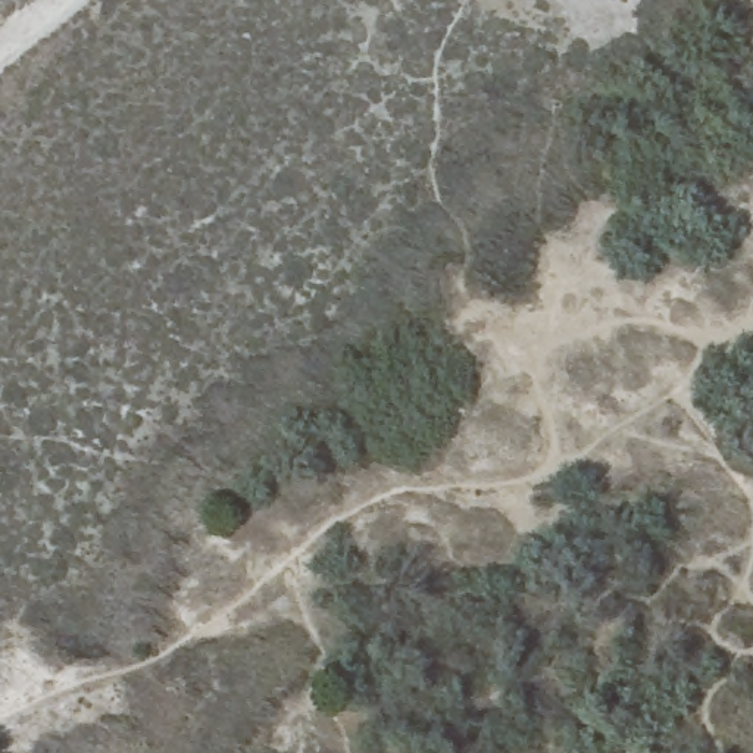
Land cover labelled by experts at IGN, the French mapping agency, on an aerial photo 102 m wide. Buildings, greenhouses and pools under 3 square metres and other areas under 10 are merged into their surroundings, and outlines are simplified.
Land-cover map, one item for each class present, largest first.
<instances>
[{"label":"herbaceous vegetation","instance_id":"1","mask_svg":"<svg viewBox=\"0 0 753 753\"><path fill-rule=\"evenodd\" d=\"M600 62L597 47H588V41L577 38L565 18L544 21L541 29H529L524 24L497 18L494 12H479L477 0H88L50 35L38 38L29 50H24L18 62H0V627L6 621H21L24 627H29L32 653L56 671H65L76 662L126 665L153 656L182 627V621L174 612V594L188 577L179 559L182 550L191 544V535L171 527V515L188 509L200 512L203 500L212 491L229 488L238 477L250 474V456L259 453L262 424L276 421V400L285 406L318 403L321 391L332 385L329 359L341 362L344 344H359L365 329H377V335L382 338L391 335L388 315L400 303H406L409 312H418L427 303L438 321H444L453 329L456 312L479 300L468 288L465 274L474 268L471 235L488 224L491 209L503 200H521V209L544 206V185H556L562 191L579 179L574 165V147L568 144V124L559 115V106L565 103V97L574 94L594 97V88L600 82L594 79V68ZM706 12V0H641L635 6L638 24L647 21L659 29L662 38H671L677 12ZM729 206L747 209L753 221V174L744 182L729 185L724 194ZM315 644L306 627L294 621L256 627L244 635L224 632L212 638H197L179 647L165 665L126 674L121 715L106 712L97 721L79 724L68 732H44L29 753H359L350 738L356 735L359 724L371 718V709L359 706L329 715L315 709Z\"/></svg>","mask_w":753,"mask_h":753},{"label":"brushwood","instance_id":"2","mask_svg":"<svg viewBox=\"0 0 753 753\"><path fill-rule=\"evenodd\" d=\"M600 62L594 68V79L600 82L594 88V97L574 94L565 97V103L559 106V115L568 124V144L574 147V165L579 179L562 191L556 185H544V206L521 209V200H503L491 209L488 224L471 235L474 268L465 274L468 288L479 300L521 306L535 300L541 288L538 259L547 235L556 229H568L577 221L579 206L588 200L612 203L615 209L600 235V259L609 262L618 279L653 282L668 268L715 271V265H727L738 256L744 238L753 229V221L747 209L729 206L724 194L729 185L744 182L753 174V0H706V12H677L671 38H662L659 29L647 21L638 24L635 32H624L609 44L597 47ZM391 335L382 338L377 335V329H365L359 344H344L341 362L329 359L332 385L321 391L318 403L285 406L276 400V421L262 424L259 453L250 456V474L238 477L229 488L250 503V512L268 509L282 485L300 479H315L326 474H359L371 465H385L403 474H421L427 468L441 465L447 444L462 427L459 409L477 403L482 382L479 359L462 344V338L453 329L444 321H438L427 303L418 312H409L406 303H400L388 315ZM694 406L715 424L718 450L738 474L753 479V332L735 341L709 344L691 385ZM550 485L553 503H565L562 518L553 527L527 532L518 544L512 565H441L438 544L427 541H400L379 547V553H365L356 544L353 527L335 524L324 535L321 550L309 562L312 574L318 577L312 591V612L321 629V641L315 644V709L329 715L359 706L371 709V718L359 724L356 735L350 738L359 753H753V659L727 653L706 635V629L712 615L718 612L724 618L721 629L727 635H735L741 638V644L753 647V606L732 600V585L729 579H724L721 571H688L694 553L679 521L685 515H697L700 506H677V500L685 491L679 474L668 468H644L627 474L624 479L609 477V491L600 494L594 488V479L571 462L550 479H544Z\"/></svg>","mask_w":753,"mask_h":753},{"label":"bare soil","instance_id":"3","mask_svg":"<svg viewBox=\"0 0 753 753\"><path fill-rule=\"evenodd\" d=\"M88 0H0V62H18L24 50H29L38 38L50 35ZM479 12H494L497 18L524 24L529 29H541L544 21L565 18L577 38L588 41V47H597L609 44L624 32H635L638 24L635 6L641 0H477ZM615 209L612 203L588 200L579 206L577 221L568 229H556L547 235L538 259L541 288L535 300L521 306L479 300L456 312L453 329L462 338V344L479 359L482 382L477 403L459 409L462 427L447 444L441 465L427 468L421 474H403L385 465H371L359 474H326L315 479H300L282 485L268 509L250 512L247 524L232 538H224L206 529L200 512L188 509L171 515V527L191 535V544L182 550L179 559L188 577L174 594V612L182 621V627L153 656L126 665L76 662L65 671H56L32 653L29 627H24L21 621H6L0 627V753H29L44 732H68L79 724L97 721L106 712L121 715L126 674L165 665L179 647L197 638H212L224 632L244 635L256 627L294 621L306 627L315 644L321 641V629L312 612V591L318 577L312 574L309 562L321 550L324 535L335 524L353 527L356 544L365 553H379V547L400 541H427L438 544L441 565H512L518 544L527 532L553 527L562 518L565 503H553L550 485L544 479H550L571 462L594 479V488L600 494L609 491V477L624 479L627 474L644 468H668L679 474L685 491L677 500V506H700L697 515H685L679 521L694 553L688 571H721L724 579H729L732 585V600L753 606V479L738 474L718 450L715 424L694 406L691 385L709 344L735 341L753 332V229L744 238L738 256L727 265H715V271L668 268L653 282L618 279L609 262L600 259V235ZM724 618L718 612L712 615L706 629V635L727 653L753 659V647L741 644V638L735 635H727L721 629Z\"/></svg>","mask_w":753,"mask_h":753},{"label":"deciduous trees","instance_id":"4","mask_svg":"<svg viewBox=\"0 0 753 753\"><path fill-rule=\"evenodd\" d=\"M206 529L224 538H232L247 524L250 512V503L229 488L212 491L203 500L200 512Z\"/></svg>","mask_w":753,"mask_h":753}]
</instances>
